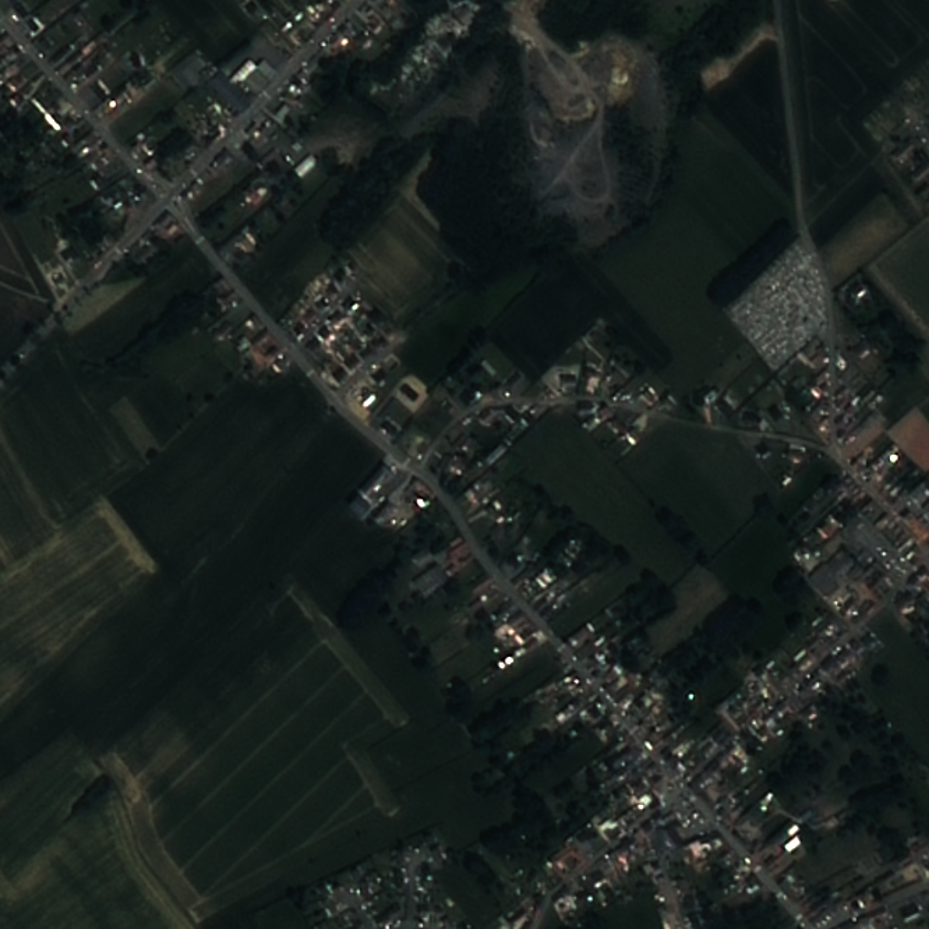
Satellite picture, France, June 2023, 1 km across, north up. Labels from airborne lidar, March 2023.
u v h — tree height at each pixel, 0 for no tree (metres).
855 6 0
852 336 0
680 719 7
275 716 0
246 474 0
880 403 0
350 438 0
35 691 0
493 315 0
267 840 0
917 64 0
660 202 7
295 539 0
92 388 0
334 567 0
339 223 18
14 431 0
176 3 0
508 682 0
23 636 0
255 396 0
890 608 0
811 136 0
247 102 0
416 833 0
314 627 0
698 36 11
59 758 0
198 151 0
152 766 0
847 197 0
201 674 0
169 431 0
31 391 0
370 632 0
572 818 13
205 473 0
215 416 0
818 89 0
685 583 0
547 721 0
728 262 0
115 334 0
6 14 0
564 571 11
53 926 0
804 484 0
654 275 0
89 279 0
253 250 11
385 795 0
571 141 0
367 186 19
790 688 0
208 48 0
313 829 0
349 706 0
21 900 0
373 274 0
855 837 0
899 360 14
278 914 0
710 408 0
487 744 16
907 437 0
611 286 0
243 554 0
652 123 0
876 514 0
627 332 0
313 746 0
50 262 0
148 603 0
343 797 0
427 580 0
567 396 0
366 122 0
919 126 0
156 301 0
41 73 0
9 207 8
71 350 0
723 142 0
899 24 0
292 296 0
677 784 0
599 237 0
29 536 0
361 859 0
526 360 0
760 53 0
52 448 0
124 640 0
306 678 0
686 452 0
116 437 0
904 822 0
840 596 0
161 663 0
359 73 17
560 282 0
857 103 0
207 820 0
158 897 0
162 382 0
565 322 0
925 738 0
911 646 0
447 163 29
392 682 0
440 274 0
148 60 0
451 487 8
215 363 0
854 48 0
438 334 0
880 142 0
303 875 0
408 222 0
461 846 0
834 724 0
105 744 0
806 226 0
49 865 0
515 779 7
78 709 0
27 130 18
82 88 0
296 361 0
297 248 0
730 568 0
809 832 14
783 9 0
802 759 12
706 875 0
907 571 0
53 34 0
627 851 0
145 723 0
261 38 0
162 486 0
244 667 0
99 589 0
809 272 0
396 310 0
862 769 10
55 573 0
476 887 0
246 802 0
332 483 0
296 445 0
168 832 0
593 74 0
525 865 0
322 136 0
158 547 0
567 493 0
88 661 0
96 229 12
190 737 0
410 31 7
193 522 0
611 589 0
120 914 0
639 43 0
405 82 0
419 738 0
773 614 0
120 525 0
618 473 0
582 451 0
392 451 0
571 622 0
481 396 0
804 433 0
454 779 0
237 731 0
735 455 0
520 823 16
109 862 0
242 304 0
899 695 0
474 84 0
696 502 0
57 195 0
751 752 12
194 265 0
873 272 0
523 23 0
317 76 10
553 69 0
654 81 0
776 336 0
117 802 0
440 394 0
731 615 26
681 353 0
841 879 0
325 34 0
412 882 0
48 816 0
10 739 0
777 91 0
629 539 0
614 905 0
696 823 0
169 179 13
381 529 0
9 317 0
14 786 0
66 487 0
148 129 0
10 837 0
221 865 0
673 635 0
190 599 0
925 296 0
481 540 0
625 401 0
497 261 32
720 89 0
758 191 0
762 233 0
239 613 0
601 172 0
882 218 0
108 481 0
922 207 0
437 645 0
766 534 0
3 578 0
